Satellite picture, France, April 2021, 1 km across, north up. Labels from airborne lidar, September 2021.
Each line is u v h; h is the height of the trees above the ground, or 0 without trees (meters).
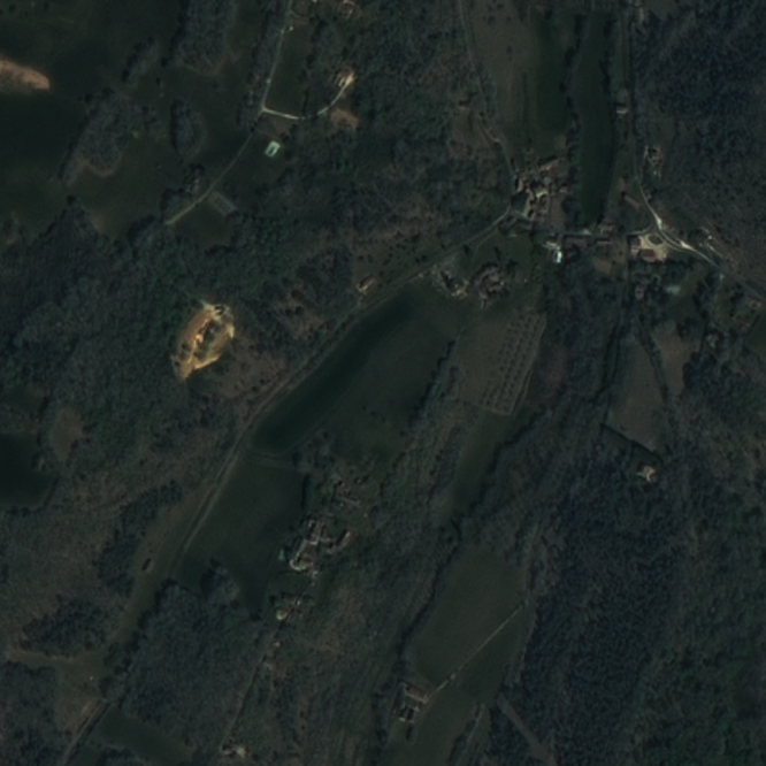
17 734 13
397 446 0
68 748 16
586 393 22
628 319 13
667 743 6
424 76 10
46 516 14
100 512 13
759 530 26
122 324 21
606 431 10
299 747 12
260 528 0
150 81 0
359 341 0
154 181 0
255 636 19
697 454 22
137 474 10
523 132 0
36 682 25
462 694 0
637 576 12
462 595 0
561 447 18
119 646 9
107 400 21
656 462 13
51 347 19
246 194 0
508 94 0
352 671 15
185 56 14
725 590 18
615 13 11
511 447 14
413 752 0
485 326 0
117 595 18
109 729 0
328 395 0
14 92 0
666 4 0
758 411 29
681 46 8
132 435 17
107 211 0
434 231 16
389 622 18
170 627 22
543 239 14
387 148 6
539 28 0
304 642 15
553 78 0
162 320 21
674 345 0
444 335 0
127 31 0
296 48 0
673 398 18
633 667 14
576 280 19
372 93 23
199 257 22
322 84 13
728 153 8
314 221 7
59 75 0
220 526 0
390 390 0
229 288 17
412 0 16
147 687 19
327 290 17
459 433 10
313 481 10
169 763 0
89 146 17
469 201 11
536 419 10
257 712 16
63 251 6
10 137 0
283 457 0
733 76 16
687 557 13
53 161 0
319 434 0
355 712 15
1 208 0
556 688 14
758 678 23
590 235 21
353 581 22
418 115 22
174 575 0
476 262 0
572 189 17
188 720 17
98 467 6
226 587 22
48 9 11
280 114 0
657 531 14
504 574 0
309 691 15
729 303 9
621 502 11
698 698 24
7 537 22
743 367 20
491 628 0
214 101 0
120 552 17
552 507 11
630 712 21
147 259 21
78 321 24
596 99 0
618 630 17
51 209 0
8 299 9
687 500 19
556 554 12
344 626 15
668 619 15
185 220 0
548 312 6
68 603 14
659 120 7
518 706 10
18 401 0
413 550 20
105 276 10
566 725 14
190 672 20
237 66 0
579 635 9
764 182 10
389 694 15
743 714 5
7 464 0
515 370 8
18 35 0
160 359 8
